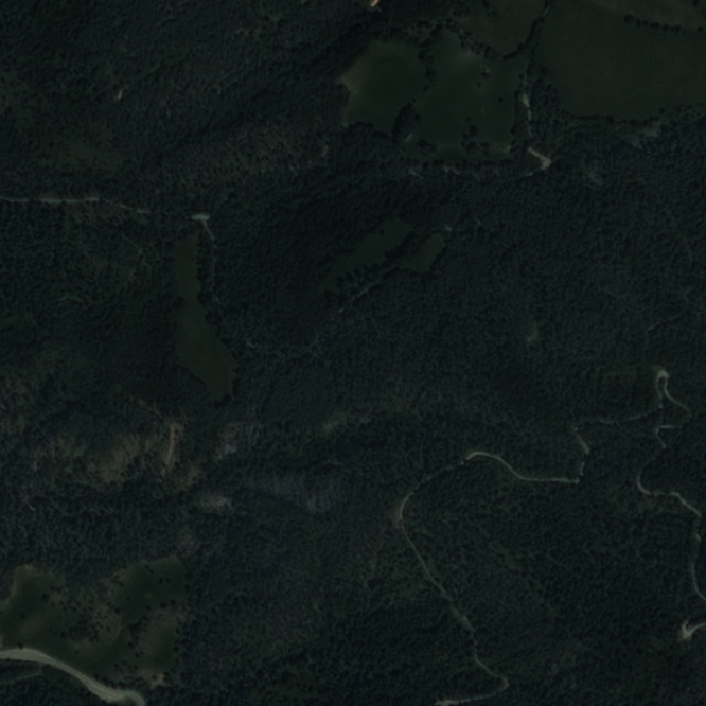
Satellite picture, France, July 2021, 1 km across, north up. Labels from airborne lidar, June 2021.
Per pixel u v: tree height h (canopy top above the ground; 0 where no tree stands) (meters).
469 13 17
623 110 0
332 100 11
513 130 9
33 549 27
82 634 6
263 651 8
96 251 8
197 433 21
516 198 18
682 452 22
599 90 0
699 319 8
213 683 23
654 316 10
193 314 0
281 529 20
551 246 25
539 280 14
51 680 7
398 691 11
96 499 19
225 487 15
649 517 16
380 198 26
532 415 13
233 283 13
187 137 16
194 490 15
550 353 14
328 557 7
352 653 10
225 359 0
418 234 18
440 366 24
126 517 28
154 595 0
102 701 7
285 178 12
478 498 18
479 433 25
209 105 12
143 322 10
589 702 11
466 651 7
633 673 14
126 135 20
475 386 24
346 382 14
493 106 0
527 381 11
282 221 23
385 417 23
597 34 0
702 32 10
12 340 13
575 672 5
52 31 9
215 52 14
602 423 17
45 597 9
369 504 11
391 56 0
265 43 11
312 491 16
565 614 10
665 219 12
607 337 16
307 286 24
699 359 10
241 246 9
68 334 9
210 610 17
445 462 28
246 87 16
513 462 15
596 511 14
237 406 25
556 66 0
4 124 14
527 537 13
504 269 23
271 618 20
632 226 16
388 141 20
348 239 24
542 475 13
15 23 14
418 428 11
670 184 15
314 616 17
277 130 17
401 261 21
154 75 12
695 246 10
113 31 12
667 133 23
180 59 5
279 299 17
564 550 15
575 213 17
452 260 17
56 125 11
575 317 17
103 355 13
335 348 8
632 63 0
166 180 17
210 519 17
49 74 8
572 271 19
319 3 14
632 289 14
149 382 15
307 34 17
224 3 16
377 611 7
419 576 11
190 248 0
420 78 0
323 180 14
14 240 10
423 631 23
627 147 16
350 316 19
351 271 0
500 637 11
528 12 0
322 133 7
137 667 7
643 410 11
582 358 8
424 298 21
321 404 19
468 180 18
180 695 10
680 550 12
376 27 23
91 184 16
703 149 16
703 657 7
